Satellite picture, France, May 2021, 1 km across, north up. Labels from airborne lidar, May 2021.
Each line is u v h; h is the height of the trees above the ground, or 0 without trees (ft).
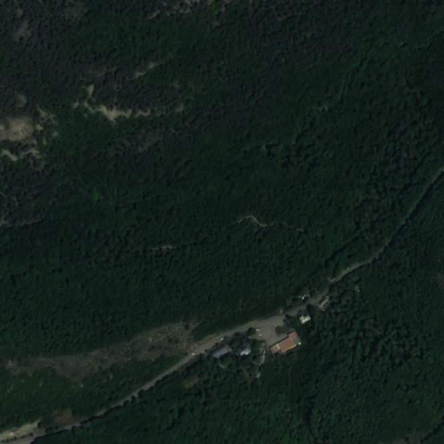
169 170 78
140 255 68
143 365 37
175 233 34
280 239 46
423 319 60
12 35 67
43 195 92
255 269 69
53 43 89
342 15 95
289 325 26
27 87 79
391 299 63
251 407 91
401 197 108
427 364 105
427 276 32
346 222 91
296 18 100
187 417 104
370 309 61
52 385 27
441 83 66
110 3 100
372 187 66
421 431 36
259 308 23
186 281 57
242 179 104
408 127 90
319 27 94
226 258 52
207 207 52
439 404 95
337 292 71
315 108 30
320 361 53
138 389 0
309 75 86
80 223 124
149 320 57
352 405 59
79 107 35
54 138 19
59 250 96
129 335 33
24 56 89
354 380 55
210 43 79
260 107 88
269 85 66
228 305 31
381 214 76
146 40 110
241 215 43
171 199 102
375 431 34
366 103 88
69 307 90
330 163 94
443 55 55
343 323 57
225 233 28
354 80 74
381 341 109
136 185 94
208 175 111
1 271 90
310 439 99
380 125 83
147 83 40
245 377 93
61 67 73
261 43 89
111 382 27
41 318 103
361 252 74
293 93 100
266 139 109
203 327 43
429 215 73
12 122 0
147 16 83
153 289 69
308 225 52
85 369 0
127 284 99
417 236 42
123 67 74
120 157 66
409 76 75
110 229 109
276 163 129
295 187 51
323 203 50
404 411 99
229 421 87
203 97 45
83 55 67
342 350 62
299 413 18
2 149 32
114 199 73
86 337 85
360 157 46
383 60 85
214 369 76
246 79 43
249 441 75
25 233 75
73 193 89
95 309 82
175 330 0
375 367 98
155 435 100
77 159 72
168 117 50
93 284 105
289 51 97
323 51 102
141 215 77
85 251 84
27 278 108
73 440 82
